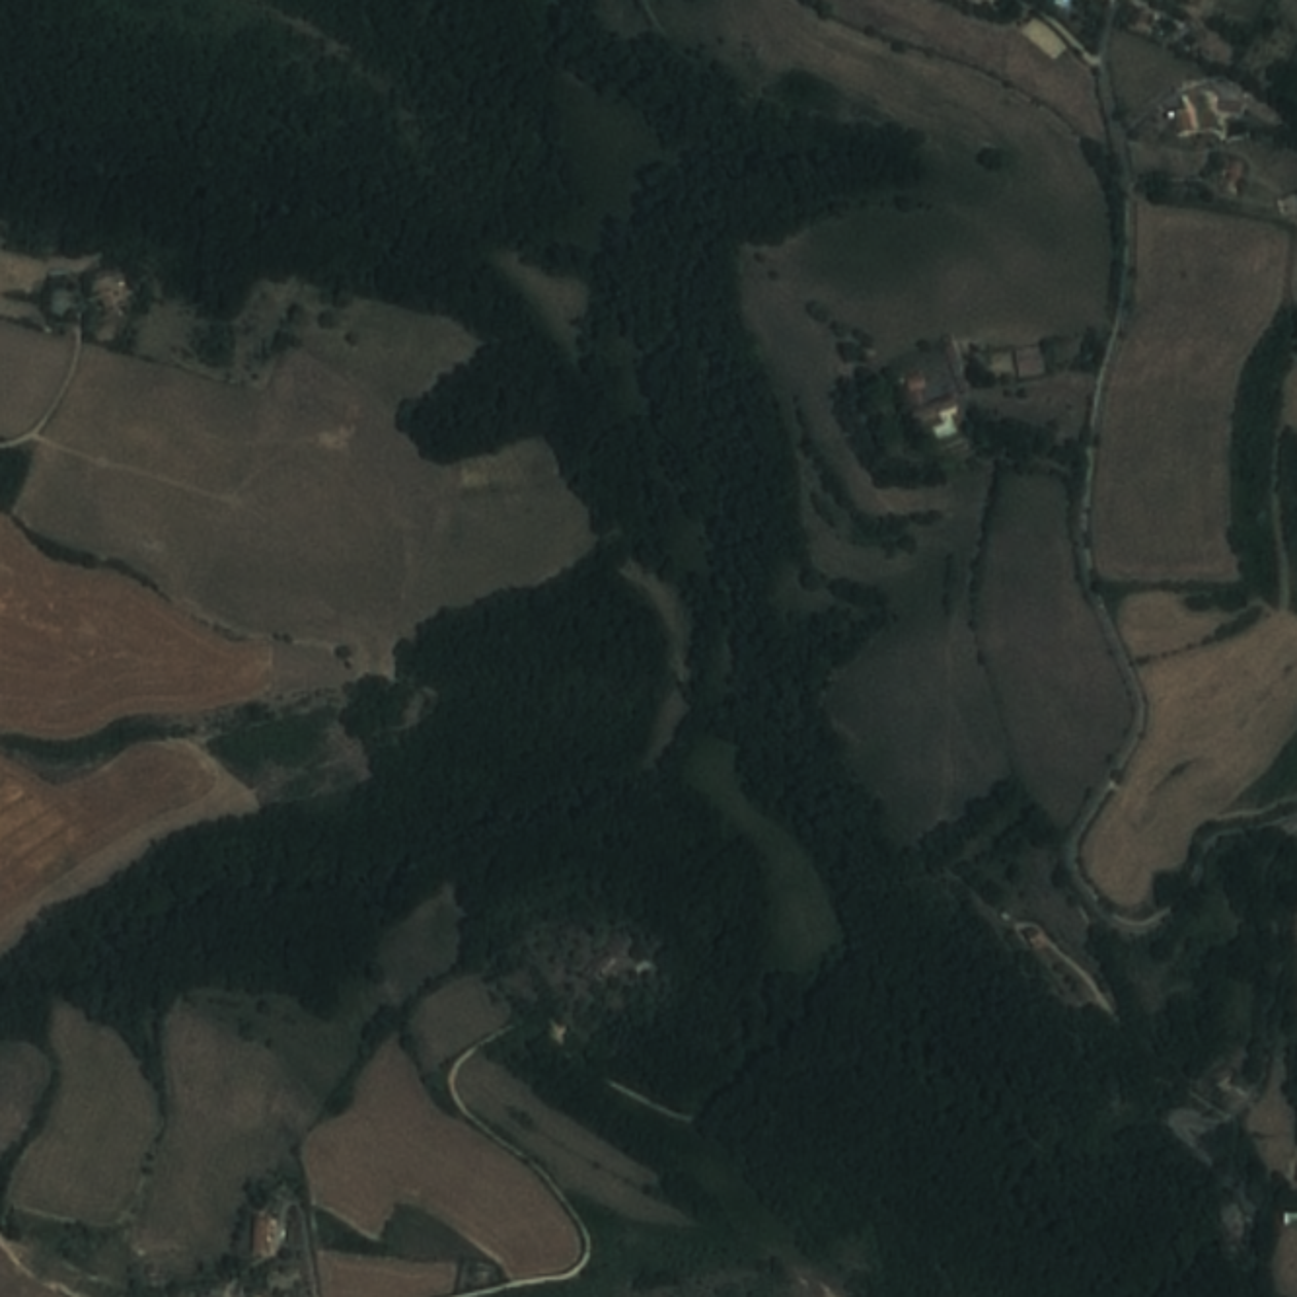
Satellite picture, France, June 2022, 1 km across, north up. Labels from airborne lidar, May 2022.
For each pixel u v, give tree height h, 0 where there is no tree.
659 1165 14
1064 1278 22
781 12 0
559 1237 0
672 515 26
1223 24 6
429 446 12
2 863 0
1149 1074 15
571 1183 0
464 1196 0
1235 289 0
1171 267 0
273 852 15
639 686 12
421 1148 0
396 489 0
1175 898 15
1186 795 0
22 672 0
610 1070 9
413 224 20
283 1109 0
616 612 23
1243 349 0
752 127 19
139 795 0
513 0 23
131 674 0
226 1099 0
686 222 24
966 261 0
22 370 0
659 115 12
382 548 0
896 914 18
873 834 18
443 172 12
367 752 10
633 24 0
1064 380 0
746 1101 19
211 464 0
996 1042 24
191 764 0
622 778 21
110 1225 0
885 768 0
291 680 0
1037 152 0
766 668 20
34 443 0
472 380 21
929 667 0
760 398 21
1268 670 0
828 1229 10
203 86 13
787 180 20
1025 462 11
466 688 10
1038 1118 14
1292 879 6
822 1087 16
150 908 10
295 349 6
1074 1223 27
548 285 0
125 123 23
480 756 21
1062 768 0
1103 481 0
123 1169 0
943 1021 19
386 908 22
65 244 15
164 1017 10
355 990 0
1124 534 0
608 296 10
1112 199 11
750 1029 25
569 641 21
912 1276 17
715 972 23
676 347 19
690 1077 22
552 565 0
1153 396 0
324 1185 0
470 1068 0
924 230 0
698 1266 10
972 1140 27
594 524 12
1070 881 10
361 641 0
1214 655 0
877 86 0
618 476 24
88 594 0
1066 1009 17
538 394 19
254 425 0
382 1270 0
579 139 0
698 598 14
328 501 0
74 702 0
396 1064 0
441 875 24
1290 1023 15
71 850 0
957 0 9
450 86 22
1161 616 0
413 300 20
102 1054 0
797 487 12
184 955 20
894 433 25
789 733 21
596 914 8
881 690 0
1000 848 16
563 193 28
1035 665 0
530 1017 9
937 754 0
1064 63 0
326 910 28
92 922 18
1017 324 0
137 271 7
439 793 20
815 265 0
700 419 23
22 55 17
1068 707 0
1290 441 12
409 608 0
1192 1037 20
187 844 14
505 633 16
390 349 0
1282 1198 17
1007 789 15
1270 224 0
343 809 6
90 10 13
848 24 0
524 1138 0
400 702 9
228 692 0
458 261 27
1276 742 0
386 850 26
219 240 22
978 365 8
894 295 0
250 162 25
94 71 19
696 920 16
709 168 24
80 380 0
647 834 17
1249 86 16
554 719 9
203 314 6
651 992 14
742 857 15
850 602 20
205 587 0
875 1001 22
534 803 23
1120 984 13
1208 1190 16
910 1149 22
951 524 0
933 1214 21
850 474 0
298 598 0
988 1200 26
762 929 29
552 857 22
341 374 0
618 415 23
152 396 0
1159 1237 24
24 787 0
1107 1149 8
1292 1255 0
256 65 14
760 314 0
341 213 24
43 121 25
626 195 0
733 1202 0
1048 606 0
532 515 0
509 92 21
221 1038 0
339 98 11
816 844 25
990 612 0
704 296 18
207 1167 0
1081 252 0
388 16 15
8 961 13
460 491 0
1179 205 0
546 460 0
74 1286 0
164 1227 0
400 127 10
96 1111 0
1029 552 0
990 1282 18
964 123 0
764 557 23
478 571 0
